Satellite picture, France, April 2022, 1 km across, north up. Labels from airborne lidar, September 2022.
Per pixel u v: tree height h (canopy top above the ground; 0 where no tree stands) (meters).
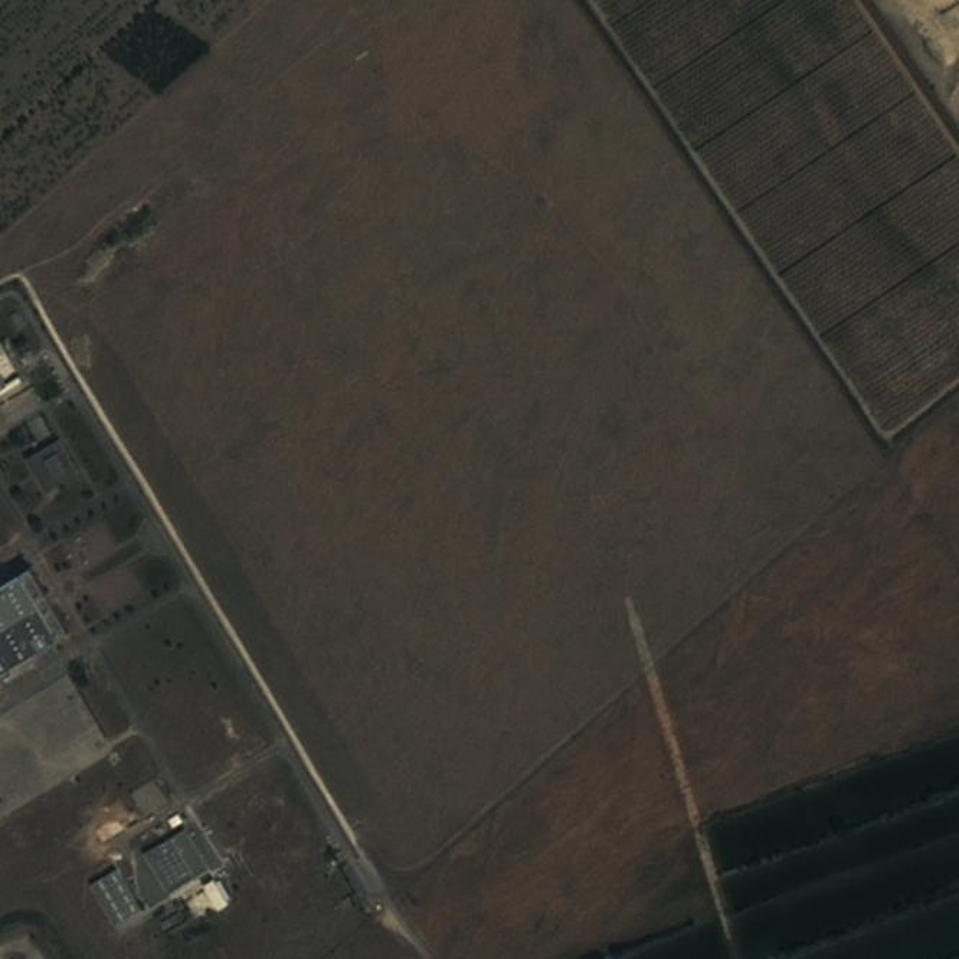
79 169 0
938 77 0
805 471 0
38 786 0
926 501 0
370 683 0
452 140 0
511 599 0
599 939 0
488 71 0
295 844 0
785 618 0
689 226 0
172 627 0
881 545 0
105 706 0
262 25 0
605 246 0
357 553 0
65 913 0
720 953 0
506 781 0
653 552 0
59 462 0
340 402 0
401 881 0
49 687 0
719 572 0
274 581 0
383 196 0
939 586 0
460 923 0
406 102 0
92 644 0
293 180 0
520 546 0
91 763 0
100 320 0
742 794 0
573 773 0
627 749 0
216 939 0
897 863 0
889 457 0
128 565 0
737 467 0
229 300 0
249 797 0
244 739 0
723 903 0
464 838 0
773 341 0
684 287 0
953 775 0
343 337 0
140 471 0
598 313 0
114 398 0
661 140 0
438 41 0
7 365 0
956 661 0
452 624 0
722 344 0
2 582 0
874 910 0
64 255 0
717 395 0
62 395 0
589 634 0
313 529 0
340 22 0
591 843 0
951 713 0
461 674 0
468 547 0
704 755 0
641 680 0
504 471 0
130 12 0
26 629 0
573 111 0
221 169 0
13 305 0
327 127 0
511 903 0
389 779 0
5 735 0
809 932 0
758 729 0
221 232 0
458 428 0
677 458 0
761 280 0
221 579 0
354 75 0
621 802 0
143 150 0
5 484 0
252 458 0
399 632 0
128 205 0
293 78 0
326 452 0
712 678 0
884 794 0
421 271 0
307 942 0
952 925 0
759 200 5
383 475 0
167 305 0
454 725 0
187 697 0
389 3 0
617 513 0
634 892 0
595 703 0
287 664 0
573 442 0
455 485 0
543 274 0
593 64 0
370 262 0
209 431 0
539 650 0
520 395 0
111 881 0
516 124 0
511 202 0
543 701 0
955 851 0
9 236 0
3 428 0
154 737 0
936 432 0
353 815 0
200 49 6
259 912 0
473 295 0
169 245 0
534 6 0
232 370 0
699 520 0
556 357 0
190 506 0
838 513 0
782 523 0
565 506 0
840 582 0
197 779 0
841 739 0
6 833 0
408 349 0
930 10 0
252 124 0
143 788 0
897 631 0
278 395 0
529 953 0
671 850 0
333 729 0
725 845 0
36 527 11
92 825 0
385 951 0
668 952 0
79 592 0
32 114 5
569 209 0
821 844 7
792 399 0
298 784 0
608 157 0
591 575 0
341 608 0
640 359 0
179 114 0
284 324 0
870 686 0
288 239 0
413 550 0
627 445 0
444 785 0
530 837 0
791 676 0
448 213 0
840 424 0
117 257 0
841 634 0
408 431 0
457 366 0
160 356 0
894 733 0
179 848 0
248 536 0
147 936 0
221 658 0
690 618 0
